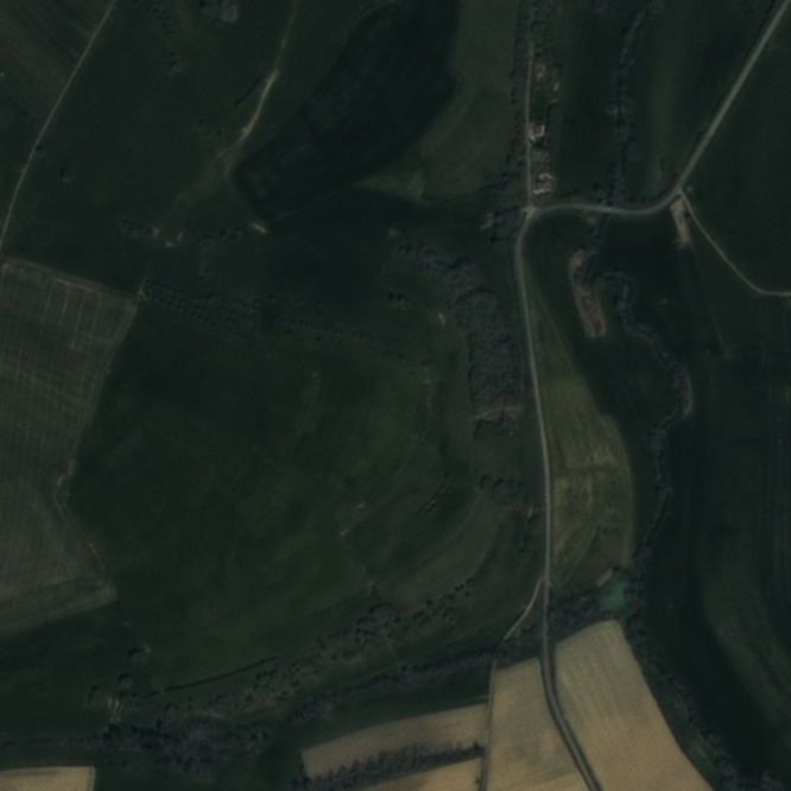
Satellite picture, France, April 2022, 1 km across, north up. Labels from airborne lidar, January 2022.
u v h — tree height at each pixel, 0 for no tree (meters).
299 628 0
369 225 0
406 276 0
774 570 0
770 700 0
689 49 0
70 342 0
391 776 15
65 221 0
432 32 0
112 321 0
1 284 0
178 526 0
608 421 0
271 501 0
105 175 0
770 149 0
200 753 22
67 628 0
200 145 0
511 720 0
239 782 0
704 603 0
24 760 0
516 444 0
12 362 0
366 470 0
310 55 0
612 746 0
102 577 0
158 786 0
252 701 13
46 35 0
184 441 0
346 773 12
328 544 0
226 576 0
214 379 0
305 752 0
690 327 0
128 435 0
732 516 0
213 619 0
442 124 0
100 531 0
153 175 0
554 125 14
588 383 0
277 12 0
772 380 0
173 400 0
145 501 0
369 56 0
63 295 0
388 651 0
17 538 0
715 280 0
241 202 0
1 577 0
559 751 0
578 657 0
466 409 0
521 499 14
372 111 0
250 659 0
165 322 0
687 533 0
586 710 0
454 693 0
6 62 0
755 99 0
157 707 0
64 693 0
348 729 0
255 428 0
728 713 0
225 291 0
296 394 0
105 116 0
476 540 0
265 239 0
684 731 0
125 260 0
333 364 0
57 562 0
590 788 0
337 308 0
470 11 0
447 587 0
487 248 0
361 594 0
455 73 0
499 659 19
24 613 0
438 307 0
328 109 0
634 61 0
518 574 0
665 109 0
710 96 0
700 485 0
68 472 0
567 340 0
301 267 0
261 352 0
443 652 0
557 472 0
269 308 0
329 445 0
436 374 0
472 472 0
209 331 0
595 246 11
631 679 0
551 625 13
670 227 0
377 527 0
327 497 0
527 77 17
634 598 18
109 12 0
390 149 0
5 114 0
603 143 0
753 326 0
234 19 25
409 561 0
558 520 0
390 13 0
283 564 0
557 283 0
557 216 0
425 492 0
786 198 0
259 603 0
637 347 0
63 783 0
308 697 0
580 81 0
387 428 0
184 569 0
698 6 0
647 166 0
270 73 0
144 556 0
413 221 0
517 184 16
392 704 0
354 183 0
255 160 0
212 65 0
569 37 0
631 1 0
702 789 0
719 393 0
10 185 0
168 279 0
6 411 0
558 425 0
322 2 0
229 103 0
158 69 0
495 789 0
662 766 0
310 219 0
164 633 0
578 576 0
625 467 0
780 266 0
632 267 0
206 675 0
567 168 0
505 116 0
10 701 0
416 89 0
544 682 0
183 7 0
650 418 0
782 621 0
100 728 0
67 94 0
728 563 0
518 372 14
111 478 0
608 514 0
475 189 0
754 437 0
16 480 0
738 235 0
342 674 0
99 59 0
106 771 0
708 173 0
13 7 0
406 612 0
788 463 0
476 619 0
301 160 0
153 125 0
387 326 0
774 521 0
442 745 0
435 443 0
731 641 0
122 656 0
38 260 0
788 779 0
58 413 0
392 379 0
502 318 11
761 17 0
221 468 0
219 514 0
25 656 0
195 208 0
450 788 0
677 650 0
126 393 0
